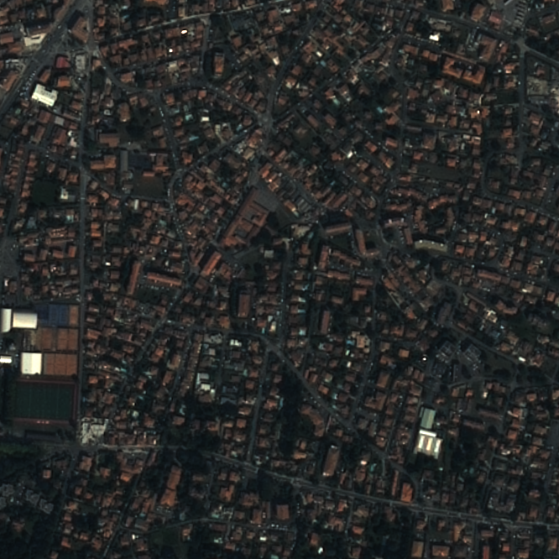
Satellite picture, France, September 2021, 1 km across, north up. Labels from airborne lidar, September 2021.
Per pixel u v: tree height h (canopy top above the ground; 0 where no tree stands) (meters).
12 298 0
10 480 7
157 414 7
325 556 8
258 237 13
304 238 6
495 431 14
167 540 0
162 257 8
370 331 19
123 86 0
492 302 10
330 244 6
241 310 0
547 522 8
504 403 10
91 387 9
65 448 0
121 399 7
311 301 12
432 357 14
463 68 7
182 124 5
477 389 6
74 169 6
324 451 8
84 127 0
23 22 6
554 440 0
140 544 0
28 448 20
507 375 15
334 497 9
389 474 7
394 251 6
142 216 6
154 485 13
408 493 0
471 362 0
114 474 8
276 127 10
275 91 0
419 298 0
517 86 6
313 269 6
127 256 7
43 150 0
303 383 9
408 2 6
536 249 0
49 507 0
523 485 12
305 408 0
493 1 0
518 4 0
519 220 8
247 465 0
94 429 0
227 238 0
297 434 5
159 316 8
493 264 0
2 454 16
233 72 7
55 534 8
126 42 0
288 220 0
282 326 0
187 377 0
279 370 6
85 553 10
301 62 7
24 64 0
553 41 13
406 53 7
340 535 10
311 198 0
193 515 15
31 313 0
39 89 0
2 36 0
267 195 0
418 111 6
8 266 0
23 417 0
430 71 14
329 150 13
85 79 7
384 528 10
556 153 12
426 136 0
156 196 0
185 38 7
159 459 6
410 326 10
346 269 0
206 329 0
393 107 0
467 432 19
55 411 0
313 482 15
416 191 0
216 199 0
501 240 0
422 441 0
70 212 0
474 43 0
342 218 13
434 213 7
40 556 13
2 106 0
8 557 18
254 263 0
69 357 0
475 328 7
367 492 6
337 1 0
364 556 22
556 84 0
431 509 0
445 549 0
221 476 0
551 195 0
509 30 0
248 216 0
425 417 0
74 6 0
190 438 16
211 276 0
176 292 0
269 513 0
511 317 14
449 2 0
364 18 7
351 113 7
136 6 8
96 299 13
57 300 0
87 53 0
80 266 0
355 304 7
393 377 6
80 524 23
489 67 7
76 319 0
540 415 0
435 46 0
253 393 6
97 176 6
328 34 0
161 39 6
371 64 8
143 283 0
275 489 7
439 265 11
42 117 0
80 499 7
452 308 5
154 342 7
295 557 10
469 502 9
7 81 0
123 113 0
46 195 0
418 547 0
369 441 8
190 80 0
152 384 11
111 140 0
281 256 22
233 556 17
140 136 12
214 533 7
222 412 8
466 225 10
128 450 0
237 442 8
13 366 0
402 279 9
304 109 0
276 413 6
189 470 21
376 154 11
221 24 8
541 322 0
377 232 0
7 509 10
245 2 5
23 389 0
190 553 6
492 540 10
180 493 10
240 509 8
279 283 8
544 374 10
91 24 0
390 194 7
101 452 6
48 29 0
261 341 8
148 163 6
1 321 0
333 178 6
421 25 9
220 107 6
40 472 16
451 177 0
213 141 7
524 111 0
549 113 21
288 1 0
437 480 10
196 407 8
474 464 9
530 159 9
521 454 6
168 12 0
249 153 0
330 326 0
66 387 0
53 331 0
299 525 15
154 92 0
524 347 0
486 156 10
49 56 0
